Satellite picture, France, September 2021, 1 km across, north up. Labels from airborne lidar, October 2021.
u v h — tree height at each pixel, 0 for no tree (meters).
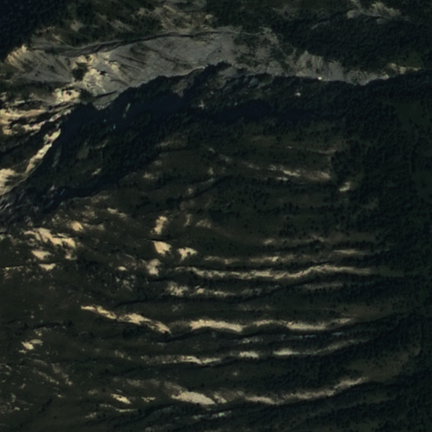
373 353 11
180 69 0
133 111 0
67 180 5
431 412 21
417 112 0
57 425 0
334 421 8
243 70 6
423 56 9
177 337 0
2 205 0
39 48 0
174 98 0
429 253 11
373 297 11
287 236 10
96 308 0
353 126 16
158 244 0
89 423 0
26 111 0
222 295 0
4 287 0
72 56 0
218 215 12
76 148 13
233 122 12
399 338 9
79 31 7
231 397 0
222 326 0
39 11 22
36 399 0
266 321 0
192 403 11
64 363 0
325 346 6
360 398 6
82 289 0
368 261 22
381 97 22
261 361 8
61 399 0
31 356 0
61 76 0
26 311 0
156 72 0
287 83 6
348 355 13
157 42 0
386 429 14
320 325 0
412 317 12
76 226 0
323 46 18
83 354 0
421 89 17
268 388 10
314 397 0
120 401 0
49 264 0
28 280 0
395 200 11
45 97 0
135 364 0
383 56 13
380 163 21
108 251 0
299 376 11
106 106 0
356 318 0
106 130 20
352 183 0
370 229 11
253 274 0
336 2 5
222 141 8
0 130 0
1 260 0
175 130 12
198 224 0
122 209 0
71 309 0
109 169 6
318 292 17
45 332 0
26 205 0
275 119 12
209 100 8
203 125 7
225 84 0
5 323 0
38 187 0
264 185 8
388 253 12
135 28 6
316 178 0
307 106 9
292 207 20
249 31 8
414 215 19
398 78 8
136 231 0
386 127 18
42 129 0
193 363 12
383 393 15
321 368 9
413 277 7
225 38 0
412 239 15
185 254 0
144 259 6
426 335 20
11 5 8
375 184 8
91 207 0
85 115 0
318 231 8
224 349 11
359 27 11
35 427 0
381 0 9
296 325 0
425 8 10
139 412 0
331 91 7
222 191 7
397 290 19
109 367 0
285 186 6
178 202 8
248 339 0
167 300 11
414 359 7
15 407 0
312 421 8
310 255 0
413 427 10
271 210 8
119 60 0
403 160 13
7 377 0
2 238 0
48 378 0
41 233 0
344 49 8
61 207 0
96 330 0
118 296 0
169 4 0
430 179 0
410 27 19
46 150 0
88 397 0
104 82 0
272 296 7
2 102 0
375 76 0
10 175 0
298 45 10
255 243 0
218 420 6
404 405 9
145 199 10
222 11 7
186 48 0
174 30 0
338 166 9
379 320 6
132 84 0
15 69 0
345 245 10
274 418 13
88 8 11
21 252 0
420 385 21
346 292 14
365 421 7
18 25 16
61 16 14
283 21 8
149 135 29
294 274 0
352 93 23
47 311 0
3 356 0
